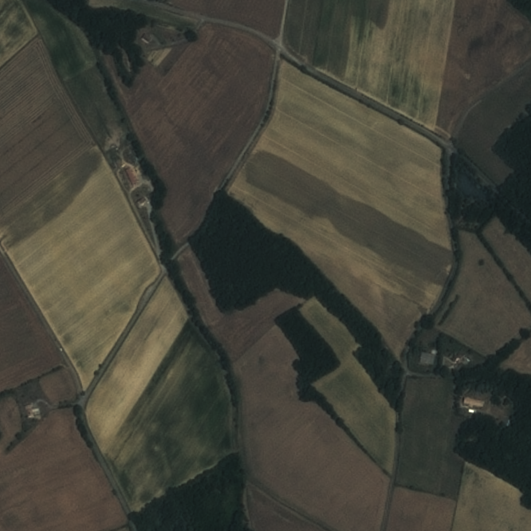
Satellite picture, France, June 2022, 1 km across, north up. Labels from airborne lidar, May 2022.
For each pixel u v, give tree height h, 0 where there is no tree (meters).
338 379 0
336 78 0
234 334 0
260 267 15
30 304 0
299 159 0
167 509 15
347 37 0
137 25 19
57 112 0
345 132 0
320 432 0
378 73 0
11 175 0
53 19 0
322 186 0
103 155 0
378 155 0
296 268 17
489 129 0
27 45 0
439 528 0
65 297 0
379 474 0
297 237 0
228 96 0
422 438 0
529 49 0
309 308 0
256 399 0
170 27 0
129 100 0
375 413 0
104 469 0
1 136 0
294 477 0
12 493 0
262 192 0
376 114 0
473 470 0
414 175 0
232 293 18
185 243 0
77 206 0
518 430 16
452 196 15
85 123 0
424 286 0
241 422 0
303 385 15
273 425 0
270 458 0
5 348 0
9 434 0
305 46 0
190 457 0
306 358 15
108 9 17
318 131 0
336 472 0
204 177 0
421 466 0
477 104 0
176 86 0
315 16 0
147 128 0
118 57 13
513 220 12
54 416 0
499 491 0
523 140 12
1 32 0
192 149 0
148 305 0
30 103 0
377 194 0
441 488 0
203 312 0
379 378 11
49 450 0
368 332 15
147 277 0
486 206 21
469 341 0
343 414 0
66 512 0
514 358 0
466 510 0
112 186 0
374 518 0
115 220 0
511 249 0
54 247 0
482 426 12
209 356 0
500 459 12
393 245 0
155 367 0
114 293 0
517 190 16
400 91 0
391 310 0
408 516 0
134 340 0
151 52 0
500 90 0
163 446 0
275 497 0
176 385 0
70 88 0
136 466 0
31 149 0
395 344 0
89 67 0
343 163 0
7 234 0
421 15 0
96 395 0
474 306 0
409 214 0
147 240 0
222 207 17
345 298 10
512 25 0
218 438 0
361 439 0
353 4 0
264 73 0
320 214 0
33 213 0
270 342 0
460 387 13
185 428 0
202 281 0
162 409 0
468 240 0
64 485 0
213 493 5
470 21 0
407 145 0
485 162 0
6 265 0
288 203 0
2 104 0
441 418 0
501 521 0
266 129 0
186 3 0
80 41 0
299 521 0
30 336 0
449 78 0
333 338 0
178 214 0
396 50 0
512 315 0
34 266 0
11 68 0
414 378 8
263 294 15
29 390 0
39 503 0
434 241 0
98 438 0
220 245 18
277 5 0
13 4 0
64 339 0
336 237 0
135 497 0
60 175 0
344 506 0
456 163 21
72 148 0
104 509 0
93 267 0
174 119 0
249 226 16
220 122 0
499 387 16
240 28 0
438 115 0
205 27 0
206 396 0
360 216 0
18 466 0
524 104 0
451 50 0
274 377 0
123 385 0
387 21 0
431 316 15
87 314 0
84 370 0
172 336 0
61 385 0
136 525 12
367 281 0
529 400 22
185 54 0
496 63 0
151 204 13
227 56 0
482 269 0
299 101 0
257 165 0
